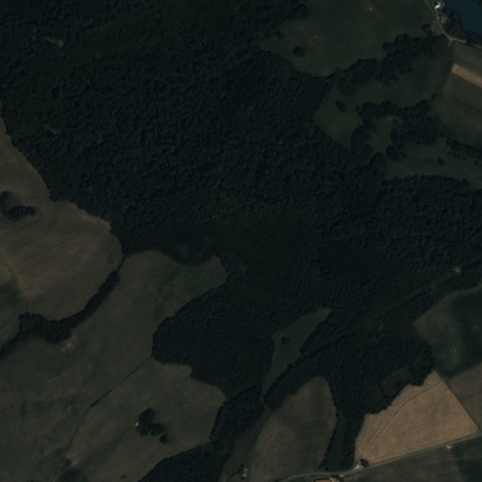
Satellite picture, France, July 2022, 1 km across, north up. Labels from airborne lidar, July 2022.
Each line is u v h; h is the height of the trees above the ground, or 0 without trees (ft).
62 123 139
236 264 65
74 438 0
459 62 0
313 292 70
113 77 130
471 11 0
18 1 60
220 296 22
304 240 64
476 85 0
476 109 0
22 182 0
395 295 29
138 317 0
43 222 0
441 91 0
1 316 0
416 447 0
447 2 0
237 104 100
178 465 74
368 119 70
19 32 92
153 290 0
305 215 100
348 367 42
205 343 81
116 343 0
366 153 85
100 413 0
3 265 0
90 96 101
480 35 0
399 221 112
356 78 79
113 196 115
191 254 60
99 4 52
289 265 62
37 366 0
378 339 51
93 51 89
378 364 64
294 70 56
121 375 0
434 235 88
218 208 75
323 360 68
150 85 103
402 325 27
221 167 120
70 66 98
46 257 0
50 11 73
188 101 92
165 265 0
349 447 52
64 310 0
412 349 64
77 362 0
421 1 0
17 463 0
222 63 115
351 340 34
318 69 0
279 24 99
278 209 90
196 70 101
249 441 0
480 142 0
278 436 0
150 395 0
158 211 122
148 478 43
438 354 0
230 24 107
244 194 119
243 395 52
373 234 55
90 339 0
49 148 110
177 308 0
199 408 0
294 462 0
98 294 33
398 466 0
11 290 0
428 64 0
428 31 69
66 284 0
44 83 116
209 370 47
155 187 97
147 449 0
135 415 0
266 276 57
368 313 36
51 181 84
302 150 75
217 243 34
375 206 94
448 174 0
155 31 87
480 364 0
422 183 62
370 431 0
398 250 68
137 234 78
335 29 0
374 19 0
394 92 0
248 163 119
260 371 59
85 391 0
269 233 60
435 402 0
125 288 0
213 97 76
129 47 78
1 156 0
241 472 27
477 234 81
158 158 108
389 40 0
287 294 85
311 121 90
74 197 81
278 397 67
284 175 73
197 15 116
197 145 48
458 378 0
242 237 38
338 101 0
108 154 134
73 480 0
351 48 0
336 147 83
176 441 0
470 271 81
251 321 86
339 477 41
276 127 94
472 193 40
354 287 58
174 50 98
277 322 85
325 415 0
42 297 0
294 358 0
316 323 0
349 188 40
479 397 0
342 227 83
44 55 77
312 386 0
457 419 0
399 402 0
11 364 0
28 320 70
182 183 117
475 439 0
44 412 0
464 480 0
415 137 91
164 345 60
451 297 0
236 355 51
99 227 0
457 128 0
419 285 24
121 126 121
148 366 0
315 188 56
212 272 0
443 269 75
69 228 0
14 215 51
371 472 0
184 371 0
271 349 74
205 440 0
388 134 0
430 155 0
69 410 0
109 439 0
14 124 98
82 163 106
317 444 0
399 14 0
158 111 75
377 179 89
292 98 98
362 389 57
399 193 105
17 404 0
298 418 0
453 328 0
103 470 0
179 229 70
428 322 0
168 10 62
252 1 112
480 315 0
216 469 52
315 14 0
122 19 46
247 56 110
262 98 80
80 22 78
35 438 0
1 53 97
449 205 72
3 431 0
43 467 0
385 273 53
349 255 58
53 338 53
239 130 54
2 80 83
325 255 63
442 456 0
